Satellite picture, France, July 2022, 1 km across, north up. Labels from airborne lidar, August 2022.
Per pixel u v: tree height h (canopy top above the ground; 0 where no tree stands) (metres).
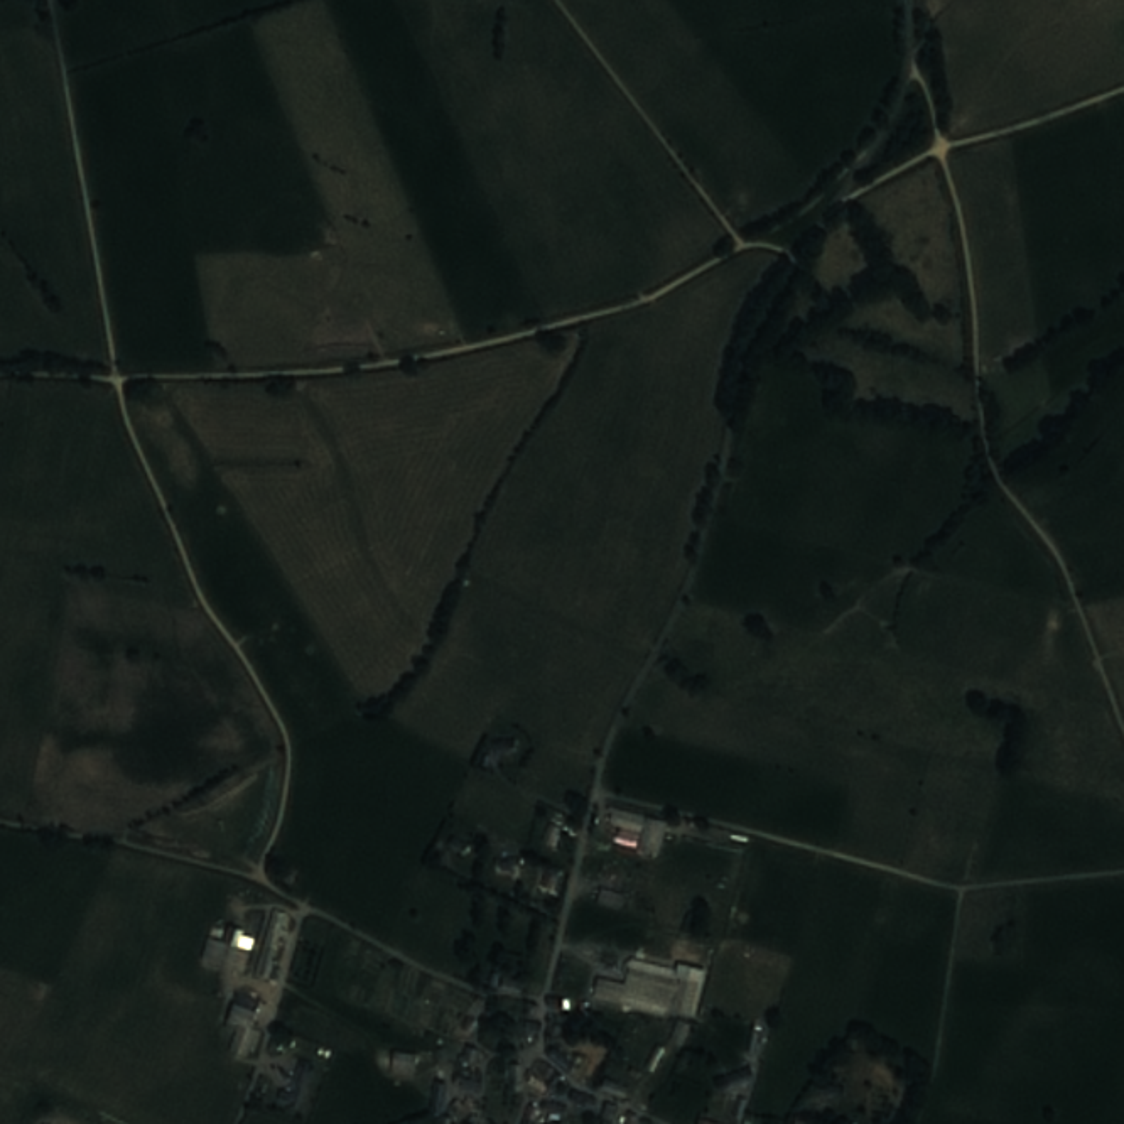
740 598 0
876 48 0
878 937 0
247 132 0
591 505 0
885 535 0
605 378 0
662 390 0
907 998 0
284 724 0
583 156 0
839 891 0
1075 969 0
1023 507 0
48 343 0
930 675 0
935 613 0
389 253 0
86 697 0
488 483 0
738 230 6
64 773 0
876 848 0
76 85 0
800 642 0
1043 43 0
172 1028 0
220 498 0
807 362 17
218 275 0
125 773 0
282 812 0
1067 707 0
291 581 0
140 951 0
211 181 0
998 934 7
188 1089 0
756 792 0
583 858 0
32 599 0
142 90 0
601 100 0
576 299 0
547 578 0
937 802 0
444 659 0
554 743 0
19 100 0
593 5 0
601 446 0
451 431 0
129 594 0
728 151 0
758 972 0
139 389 15
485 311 0
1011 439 0
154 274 0
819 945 0
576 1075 0
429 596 0
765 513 0
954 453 0
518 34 0
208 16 0
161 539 0
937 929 0
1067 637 0
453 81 0
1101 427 0
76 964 0
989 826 0
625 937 0
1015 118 0
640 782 0
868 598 0
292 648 0
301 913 0
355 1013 0
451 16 0
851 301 21
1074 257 0
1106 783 0
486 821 0
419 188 0
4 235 7
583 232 0
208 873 0
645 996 0
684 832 0
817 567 0
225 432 0
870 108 0
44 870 0
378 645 0
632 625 0
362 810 0
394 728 0
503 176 0
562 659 0
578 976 0
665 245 0
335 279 0
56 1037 0
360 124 0
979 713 18
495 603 0
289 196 0
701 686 11
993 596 0
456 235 0
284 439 0
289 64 0
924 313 17
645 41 0
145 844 0
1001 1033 0
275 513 0
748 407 19
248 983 0
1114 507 0
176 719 0
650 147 0
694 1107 0
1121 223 0
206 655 0
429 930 0
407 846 0
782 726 0
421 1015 0
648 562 0
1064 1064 0
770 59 0
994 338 0
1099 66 0
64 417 0
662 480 0
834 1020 0
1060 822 0
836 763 0
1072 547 0
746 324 19
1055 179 0
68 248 0
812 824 0
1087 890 0
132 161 0
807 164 0
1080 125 0
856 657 0
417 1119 8
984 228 0
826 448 0
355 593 0
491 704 0
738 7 0
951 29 0
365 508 0
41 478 0
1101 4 0
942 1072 0
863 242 23
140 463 0
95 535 0
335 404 0
